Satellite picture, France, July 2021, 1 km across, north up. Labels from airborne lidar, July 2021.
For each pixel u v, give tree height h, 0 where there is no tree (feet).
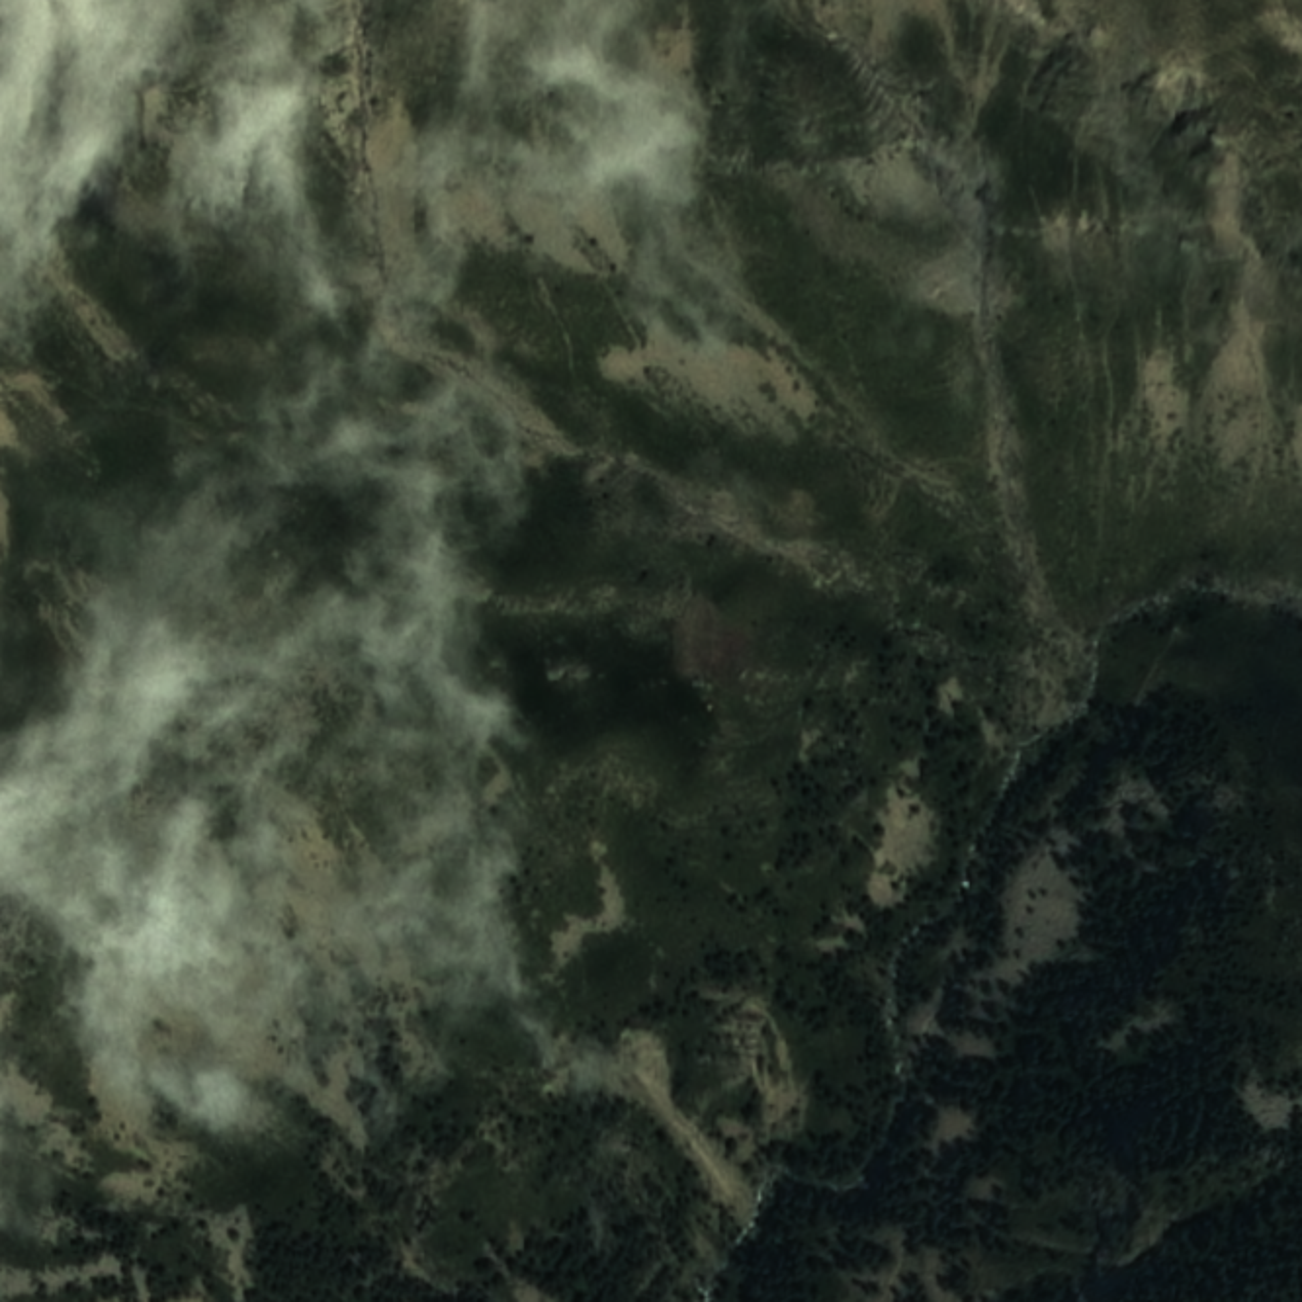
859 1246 74
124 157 0
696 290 0
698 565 0
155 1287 27
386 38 0
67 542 0
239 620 0
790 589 0
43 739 0
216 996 0
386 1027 34
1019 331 0
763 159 0
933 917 41
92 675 0
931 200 0
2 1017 0
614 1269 49
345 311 0
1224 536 0
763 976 25
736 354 0
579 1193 39
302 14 0
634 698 0
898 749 19
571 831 0
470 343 0
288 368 0
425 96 0
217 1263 0
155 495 0
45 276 0
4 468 0
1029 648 0
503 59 0
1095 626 0
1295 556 0
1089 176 0
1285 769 0
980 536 0
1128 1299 47
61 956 0
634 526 0
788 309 0
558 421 0
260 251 0
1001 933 61
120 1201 0
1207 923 27
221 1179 0
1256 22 0
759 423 0
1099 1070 60
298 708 0
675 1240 50
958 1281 47
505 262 0
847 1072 0
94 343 0
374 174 0
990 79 0
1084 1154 18
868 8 0
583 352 0
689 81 0
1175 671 0
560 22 0
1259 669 0
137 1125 0
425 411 0
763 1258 70
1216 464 0
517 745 0
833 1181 48
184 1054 0
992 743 0
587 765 0
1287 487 0
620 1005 0
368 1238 30
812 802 34
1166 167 0
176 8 0
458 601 0
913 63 0
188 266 0
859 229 0
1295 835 0
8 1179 0
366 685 0
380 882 0
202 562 0
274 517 0
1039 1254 23
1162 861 28
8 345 0
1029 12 0
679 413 0
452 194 0
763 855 0
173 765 0
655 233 0
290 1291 30
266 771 0
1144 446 0
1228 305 0
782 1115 0
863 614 0
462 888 0
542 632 0
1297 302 0
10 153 0
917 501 0
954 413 0
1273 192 0
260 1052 0
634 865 0
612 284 0
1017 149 0
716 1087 29
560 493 0
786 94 0
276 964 0
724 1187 0
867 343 0
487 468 0
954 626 0
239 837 0
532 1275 58
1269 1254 31
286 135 0
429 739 0
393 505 0
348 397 0
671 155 0
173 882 0
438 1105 21
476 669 0
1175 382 0
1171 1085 42
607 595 0
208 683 0
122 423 0
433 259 0
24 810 0
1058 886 0
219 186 0
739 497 0
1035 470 0
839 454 0
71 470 0
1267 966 0
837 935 0
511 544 0
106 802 0
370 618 0
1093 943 34
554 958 0
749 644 0
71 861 0
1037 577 0
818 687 0
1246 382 0
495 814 30
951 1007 49
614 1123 31
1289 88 0
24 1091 0
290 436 0
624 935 0
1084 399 0
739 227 0
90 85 0
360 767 0
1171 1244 33
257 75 0
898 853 0
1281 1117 0
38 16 0
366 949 0
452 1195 0
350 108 0
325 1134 26
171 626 0
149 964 0
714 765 0
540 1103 0
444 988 0
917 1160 79
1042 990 35
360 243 0
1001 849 41
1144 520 0
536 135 0
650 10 0
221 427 0
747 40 0
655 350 0
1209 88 0
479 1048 0
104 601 0
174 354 0
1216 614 0
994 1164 53
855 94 0
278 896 0
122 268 0
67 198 0
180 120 0
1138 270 0
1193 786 36
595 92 0
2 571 0
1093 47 0
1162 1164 30
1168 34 0
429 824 0
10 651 0
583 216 0
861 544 0
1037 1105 55
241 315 0
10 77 0
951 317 0
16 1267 0
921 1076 42
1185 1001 26
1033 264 0
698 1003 28
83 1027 0
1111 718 26
